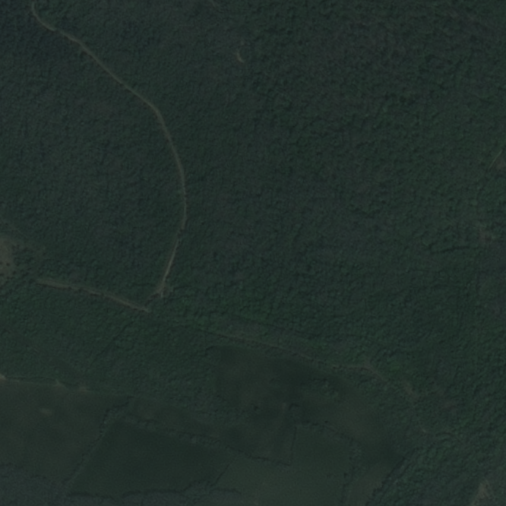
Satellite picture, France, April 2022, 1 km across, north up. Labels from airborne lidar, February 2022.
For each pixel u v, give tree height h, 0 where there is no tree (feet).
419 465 39
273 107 58
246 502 0
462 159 77
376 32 84
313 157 74
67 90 63
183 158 20
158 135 49
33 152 36
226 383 0
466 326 40
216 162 64
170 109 31
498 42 88
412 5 81
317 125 82
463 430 54
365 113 90
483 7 67
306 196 94
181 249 20
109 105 74
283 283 55
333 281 45
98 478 0
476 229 81
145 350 31
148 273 26
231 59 25
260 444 0
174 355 21
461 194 85
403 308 51
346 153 80
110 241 64
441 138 72
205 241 58
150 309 35
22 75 23
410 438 25
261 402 0
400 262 54
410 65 89
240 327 62
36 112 44
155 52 22
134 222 72
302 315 24
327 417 0
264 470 0
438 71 90
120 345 25
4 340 43
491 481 64
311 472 0
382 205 73
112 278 48
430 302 32
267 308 44
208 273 70
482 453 57
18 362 24
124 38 34
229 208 90
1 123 66
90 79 74
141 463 0
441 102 74
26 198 27
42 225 45
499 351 46
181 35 50
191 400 45
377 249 78
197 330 24
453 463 26
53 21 45
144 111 51
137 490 0
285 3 73
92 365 22
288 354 39
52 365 27
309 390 21
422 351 23
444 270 30
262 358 0
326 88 75
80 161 55
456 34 92
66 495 66
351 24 93
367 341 34
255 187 84
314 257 56
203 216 38
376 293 19
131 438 0
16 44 75
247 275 74
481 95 96
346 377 25
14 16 30
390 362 51
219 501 50
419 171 81
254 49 65
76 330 24
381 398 44
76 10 40
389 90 70
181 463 0
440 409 19
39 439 0
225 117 55
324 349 37
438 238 82
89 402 0
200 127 26
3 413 0
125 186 49
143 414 0
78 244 31
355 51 92
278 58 73
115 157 77
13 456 0
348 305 33
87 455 25
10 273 0
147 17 25
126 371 45
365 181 76
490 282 86
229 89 67
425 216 80
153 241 51
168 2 66
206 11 73
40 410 0
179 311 38
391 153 66
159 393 41
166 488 0
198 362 32
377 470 0
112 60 35
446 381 35
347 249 73
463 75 93
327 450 0
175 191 48
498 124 65
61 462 0
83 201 43
